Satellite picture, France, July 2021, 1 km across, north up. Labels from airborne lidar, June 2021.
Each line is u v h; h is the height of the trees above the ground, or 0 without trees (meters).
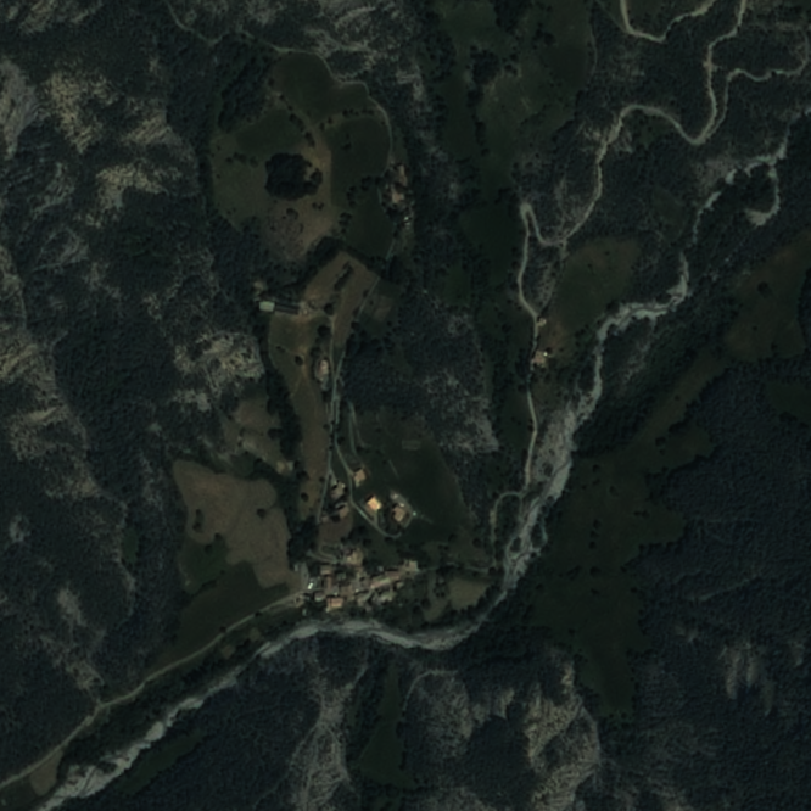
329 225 0
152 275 9
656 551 10
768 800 8
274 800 6
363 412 8
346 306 0
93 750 8
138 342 7
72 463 7
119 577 10
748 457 9
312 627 0
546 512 12
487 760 6
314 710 6
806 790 6
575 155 7
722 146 6
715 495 9
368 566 7
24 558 6
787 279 0
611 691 0
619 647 0
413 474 0
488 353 9
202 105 8
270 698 9
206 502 0
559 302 0
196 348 7
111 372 8
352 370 8
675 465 0
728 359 11
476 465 10
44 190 7
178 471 0
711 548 9
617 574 0
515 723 8
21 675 8
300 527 10
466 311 10
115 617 14
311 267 8
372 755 0
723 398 9
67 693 10
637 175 13
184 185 9
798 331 0
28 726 13
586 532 0
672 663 8
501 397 8
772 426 14
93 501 7
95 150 8
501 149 0
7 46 6
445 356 14
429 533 0
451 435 6
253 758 11
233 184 0
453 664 9
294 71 0
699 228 8
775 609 9
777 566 7
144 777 0
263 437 0
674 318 6
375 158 0
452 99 0
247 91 8
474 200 11
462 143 0
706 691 9
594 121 6
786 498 8
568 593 0
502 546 10
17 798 0
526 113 0
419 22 7
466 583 0
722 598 7
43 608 7
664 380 12
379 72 10
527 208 0
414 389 7
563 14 0
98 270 0
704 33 8
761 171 8
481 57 11
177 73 7
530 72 0
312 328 0
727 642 7
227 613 0
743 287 0
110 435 9
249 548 0
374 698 13
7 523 8
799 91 9
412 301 10
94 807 17
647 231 8
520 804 7
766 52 8
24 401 7
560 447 0
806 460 8
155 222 6
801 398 0
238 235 9
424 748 12
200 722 12
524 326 0
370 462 0
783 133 9
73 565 8
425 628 12
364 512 0
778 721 10
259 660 9
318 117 0
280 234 0
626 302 9
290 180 15
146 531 13
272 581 0
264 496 0
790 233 15
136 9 14
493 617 12
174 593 10
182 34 8
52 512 12
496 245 0
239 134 0
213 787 10
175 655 0
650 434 0
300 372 0
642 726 8
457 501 0
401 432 0
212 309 8
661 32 7
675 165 10
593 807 8
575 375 8
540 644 11
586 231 8
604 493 0
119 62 7
